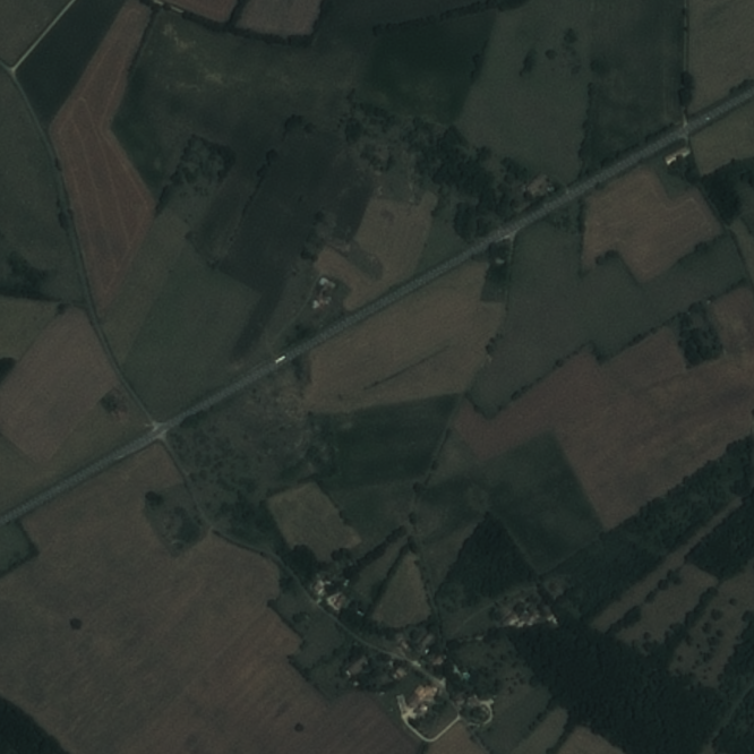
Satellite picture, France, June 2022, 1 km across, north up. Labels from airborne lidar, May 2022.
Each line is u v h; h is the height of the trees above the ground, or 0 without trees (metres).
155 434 0
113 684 0
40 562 0
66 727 0
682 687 13
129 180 0
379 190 0
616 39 0
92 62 0
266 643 0
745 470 11
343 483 0
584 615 10
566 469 0
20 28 0
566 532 0
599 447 0
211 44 0
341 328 0
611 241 0
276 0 0
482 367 0
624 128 0
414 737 0
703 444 0
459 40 0
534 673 9
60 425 0
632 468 0
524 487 0
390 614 0
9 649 0
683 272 0
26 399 0
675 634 7
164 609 0
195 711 0
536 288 0
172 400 0
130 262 0
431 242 0
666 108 0
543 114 0
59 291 0
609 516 0
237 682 0
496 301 0
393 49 0
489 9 13
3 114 0
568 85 0
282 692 0
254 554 0
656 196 0
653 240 0
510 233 0
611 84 0
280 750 0
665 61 0
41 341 0
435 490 0
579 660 14
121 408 0
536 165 0
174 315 0
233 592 0
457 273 0
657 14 0
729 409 0
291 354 0
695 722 14
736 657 11
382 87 0
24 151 0
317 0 0
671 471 0
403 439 0
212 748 0
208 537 0
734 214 6
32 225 0
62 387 0
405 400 0
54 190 0
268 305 0
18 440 0
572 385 0
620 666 15
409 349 0
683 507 6
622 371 0
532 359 0
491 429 0
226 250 0
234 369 0
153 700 0
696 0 0
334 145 0
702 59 0
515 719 0
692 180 8
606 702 13
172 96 0
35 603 0
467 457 0
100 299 0
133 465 0
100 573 0
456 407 0
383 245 0
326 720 0
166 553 0
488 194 11
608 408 0
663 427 0
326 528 0
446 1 0
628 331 0
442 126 0
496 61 0
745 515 13
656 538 7
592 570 5
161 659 0
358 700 0
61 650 0
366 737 0
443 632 7
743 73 0
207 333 0
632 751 16
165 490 0
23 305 0
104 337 0
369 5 0
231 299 0
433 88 0
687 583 0
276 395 0
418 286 0
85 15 0
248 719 0
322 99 0
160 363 0
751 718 11
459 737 0
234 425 0
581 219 7
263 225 0
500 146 0
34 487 0
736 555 15
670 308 0
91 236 0
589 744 0
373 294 0
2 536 0
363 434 0
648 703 12
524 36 0
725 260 0
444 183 8
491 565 6
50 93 0
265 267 0
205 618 0
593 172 9
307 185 0
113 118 0
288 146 0
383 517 0
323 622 0
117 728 0
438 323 0
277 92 0
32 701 0
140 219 0
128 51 0
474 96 0
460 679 7
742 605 0
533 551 0
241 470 0
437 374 0
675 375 0
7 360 8
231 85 0
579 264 0
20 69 0
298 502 0
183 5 0
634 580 6
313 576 11
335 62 0
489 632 9
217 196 0
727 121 0
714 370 0
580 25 0
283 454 0
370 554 8
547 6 0
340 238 0
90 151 0
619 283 0
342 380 0
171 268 0
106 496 0
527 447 0
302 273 0
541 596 10
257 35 9
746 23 0
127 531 0
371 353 0
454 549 0
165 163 0
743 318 0
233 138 0
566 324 0
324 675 0
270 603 9
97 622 0
